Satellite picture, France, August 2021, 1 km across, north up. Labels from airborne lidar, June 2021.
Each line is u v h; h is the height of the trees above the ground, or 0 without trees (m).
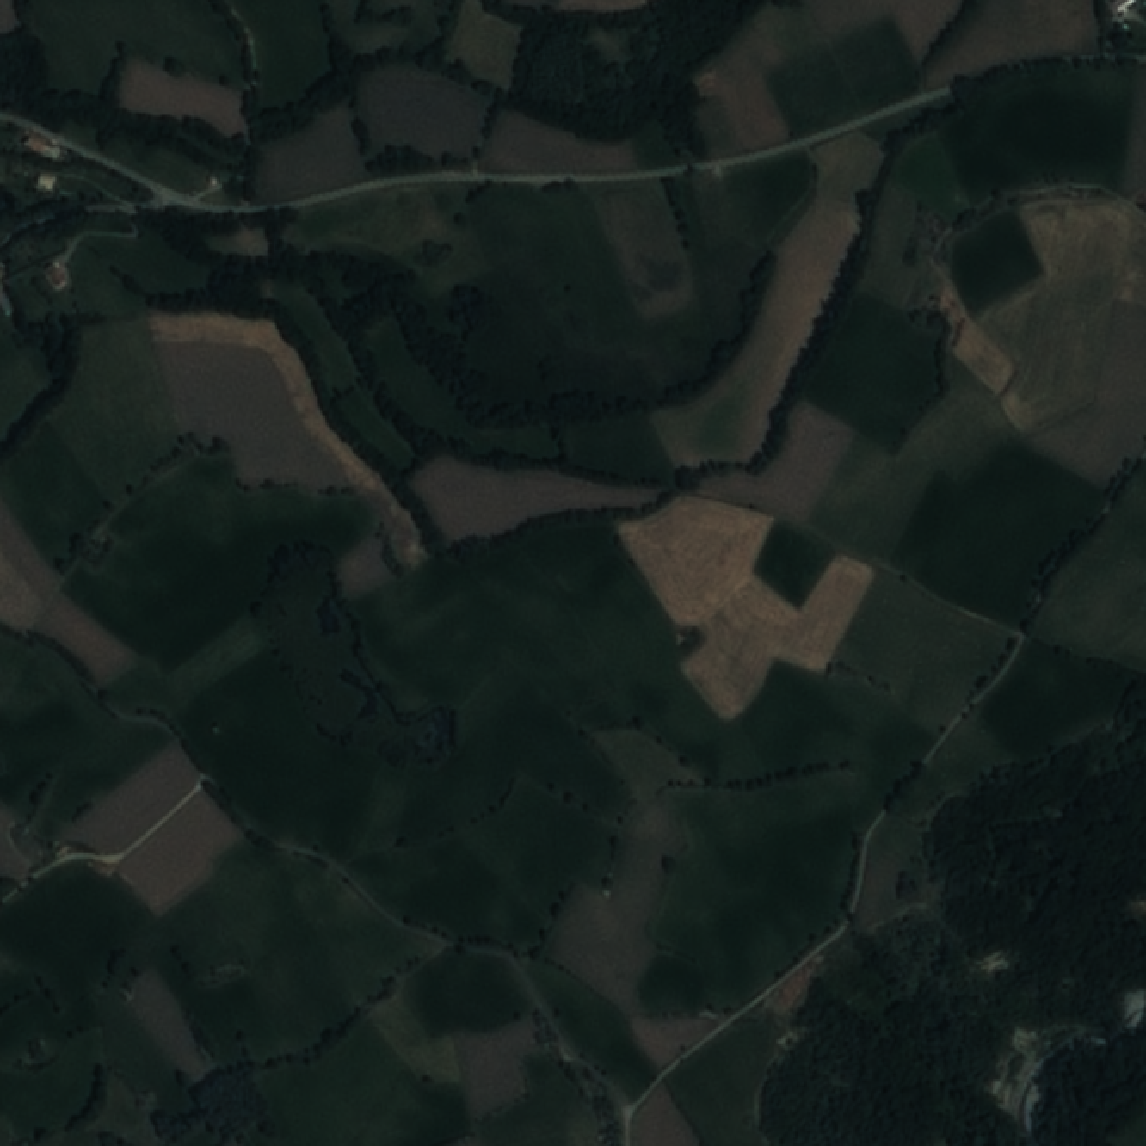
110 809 0
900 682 0
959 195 0
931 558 0
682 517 0
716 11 17
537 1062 0
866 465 0
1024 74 15
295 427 0
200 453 7
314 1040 0
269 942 0
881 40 0
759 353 0
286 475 0
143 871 0
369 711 0
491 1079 0
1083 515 0
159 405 0
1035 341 0
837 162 0
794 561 0
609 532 0
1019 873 16
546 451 0
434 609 0
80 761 0
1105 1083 13
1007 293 0
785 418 11
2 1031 0
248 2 0
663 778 0
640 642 0
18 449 11
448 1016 0
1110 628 0
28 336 7
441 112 0
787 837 0
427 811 0
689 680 0
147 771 0
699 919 0
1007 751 0
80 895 0
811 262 0
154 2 0
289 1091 0
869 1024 13
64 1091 0
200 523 0
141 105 0
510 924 0
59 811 0
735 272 0
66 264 0
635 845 0
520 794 0
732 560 0
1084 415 0
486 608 0
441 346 12
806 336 0
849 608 0
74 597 0
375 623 0
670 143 11
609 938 0
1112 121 0
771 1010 0
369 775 0
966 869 19
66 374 12
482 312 20
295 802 0
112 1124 0
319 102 19
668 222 0
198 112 0
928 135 13
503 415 16
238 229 8
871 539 0
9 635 10
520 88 6
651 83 14
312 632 0
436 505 0
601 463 0
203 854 0
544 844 0
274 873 0
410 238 0
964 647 0
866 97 0
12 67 14
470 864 0
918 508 0
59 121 23
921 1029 16
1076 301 0
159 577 0
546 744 0
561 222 0
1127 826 23
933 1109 19
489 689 0
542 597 0
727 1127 0
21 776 0
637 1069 0
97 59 0
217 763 0
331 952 0
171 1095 0
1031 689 0
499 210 0
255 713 0
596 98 9
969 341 0
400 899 0
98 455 0
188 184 0
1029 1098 0
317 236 0
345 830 0
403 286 16
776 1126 16
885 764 0
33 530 0
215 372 0
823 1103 12
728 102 0
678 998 0
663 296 0
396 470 14
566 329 0
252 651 0
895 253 0
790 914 0
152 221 12
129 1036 0
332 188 0
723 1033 0
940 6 0
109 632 0
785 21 0
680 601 0
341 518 0
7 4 0
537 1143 0
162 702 0
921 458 0
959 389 0
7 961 0
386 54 14
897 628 0
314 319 0
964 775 0
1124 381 0
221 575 0
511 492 0
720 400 0
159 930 0
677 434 0
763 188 0
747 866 0
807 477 0
